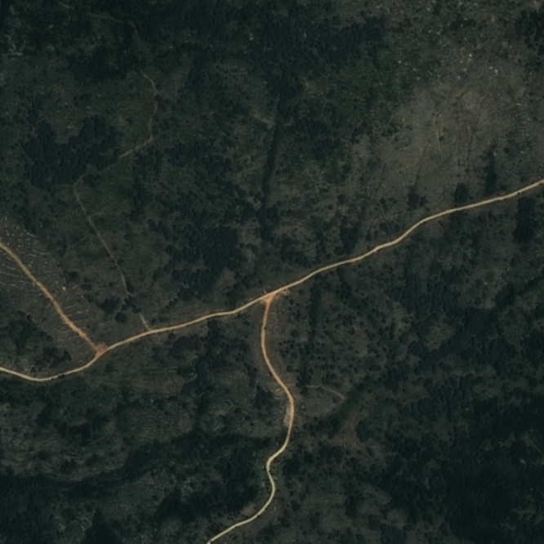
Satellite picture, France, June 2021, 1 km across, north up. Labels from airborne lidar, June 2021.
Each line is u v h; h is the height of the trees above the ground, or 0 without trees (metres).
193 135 0
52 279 0
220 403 0
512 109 0
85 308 0
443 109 0
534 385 9
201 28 8
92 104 0
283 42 7
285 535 0
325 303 0
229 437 9
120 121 0
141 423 0
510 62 0
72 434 6
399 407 7
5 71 0
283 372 0
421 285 7
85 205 0
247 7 8
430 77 0
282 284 0
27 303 0
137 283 0
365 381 6
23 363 0
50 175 7
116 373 0
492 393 0
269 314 0
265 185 8
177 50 7
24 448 0
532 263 8
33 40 6
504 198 0
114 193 0
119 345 0
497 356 12
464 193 10
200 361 10
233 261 9
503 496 12
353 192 0
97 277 0
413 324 11
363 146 0
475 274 0
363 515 0
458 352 8
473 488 11
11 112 0
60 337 0
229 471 13
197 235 10
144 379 0
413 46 0
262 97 0
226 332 0
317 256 7
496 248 0
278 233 0
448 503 6
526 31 7
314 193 0
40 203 0
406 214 0
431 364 13
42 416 8
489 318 12
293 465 7
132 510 0
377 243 0
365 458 0
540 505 6
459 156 0
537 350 11
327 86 0
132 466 6
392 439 8
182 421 0
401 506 7
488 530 11
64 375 6
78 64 8
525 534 11
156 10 9
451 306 13
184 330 0
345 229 9
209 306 0
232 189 6
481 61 0
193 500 6
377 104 0
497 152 0
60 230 0
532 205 8
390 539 12
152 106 0
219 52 6
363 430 9
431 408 8
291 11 10
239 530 0
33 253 0
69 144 8
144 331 0
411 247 8
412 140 0
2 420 0
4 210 0
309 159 0
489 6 0
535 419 10
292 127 6
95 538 13
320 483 0
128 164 0
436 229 0
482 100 0
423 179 0
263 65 6
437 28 0
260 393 7
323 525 0
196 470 9
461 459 10
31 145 12
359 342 0
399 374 11
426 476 6
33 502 11
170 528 0
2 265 0
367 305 11
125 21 7
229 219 6
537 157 0
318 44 8
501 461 16
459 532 9
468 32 0
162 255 0
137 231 0
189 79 7
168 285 0
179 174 0
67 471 7
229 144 6
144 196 8
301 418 0
